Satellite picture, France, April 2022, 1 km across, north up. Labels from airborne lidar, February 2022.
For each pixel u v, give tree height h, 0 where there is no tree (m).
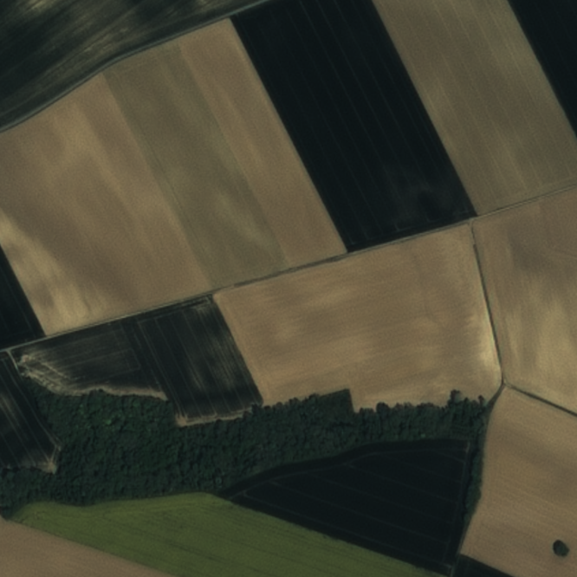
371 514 0
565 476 0
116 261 0
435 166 0
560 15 0
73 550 0
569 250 0
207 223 0
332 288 0
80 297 0
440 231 0
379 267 0
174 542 0
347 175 0
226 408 0
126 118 0
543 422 0
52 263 0
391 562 0
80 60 0
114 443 29
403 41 0
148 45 0
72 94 0
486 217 0
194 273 0
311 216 0
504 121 0
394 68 0
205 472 23
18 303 0
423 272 0
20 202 0
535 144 0
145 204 0
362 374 0
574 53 0
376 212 0
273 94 0
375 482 0
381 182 0
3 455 0
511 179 0
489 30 0
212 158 0
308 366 0
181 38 0
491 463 0
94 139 0
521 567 0
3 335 0
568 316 0
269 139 0
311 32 0
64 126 0
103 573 0
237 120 0
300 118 0
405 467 0
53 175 0
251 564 0
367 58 0
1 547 0
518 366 0
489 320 0
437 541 0
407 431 19
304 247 0
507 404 0
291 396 0
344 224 0
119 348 0
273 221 0
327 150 0
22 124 0
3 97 0
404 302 0
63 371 0
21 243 0
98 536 0
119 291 0
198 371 0
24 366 0
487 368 0
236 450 16
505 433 0
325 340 0
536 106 0
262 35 0
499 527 0
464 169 0
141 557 0
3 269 0
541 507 0
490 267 0
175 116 0
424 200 0
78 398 6
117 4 0
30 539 0
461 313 0
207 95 0
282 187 0
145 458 25
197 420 0
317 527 0
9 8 0
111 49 0
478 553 0
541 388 0
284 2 0
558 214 0
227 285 0
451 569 0
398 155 0
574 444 0
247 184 0
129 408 17
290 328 0
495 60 0
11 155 0
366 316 0
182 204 0
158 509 0
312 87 0
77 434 16
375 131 0
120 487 26
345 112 0
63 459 8
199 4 0
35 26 0
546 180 0
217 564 0
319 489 0
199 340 0
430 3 0
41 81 0
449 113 0
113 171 0
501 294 0
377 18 0
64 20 0
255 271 0
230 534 0
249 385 0
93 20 0
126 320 0
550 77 0
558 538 0
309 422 26
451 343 0
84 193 0
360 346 0
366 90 0
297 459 13
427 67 0
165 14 0
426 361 0
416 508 0
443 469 0
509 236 0
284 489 0
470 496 19
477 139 0
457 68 0
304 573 0
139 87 0
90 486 22
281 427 25
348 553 0
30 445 0
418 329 0
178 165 0
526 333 0
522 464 0
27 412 0
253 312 0
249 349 0
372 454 0
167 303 0
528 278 0
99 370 0
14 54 0
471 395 0
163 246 0
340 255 0
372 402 0
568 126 0
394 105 0
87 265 0
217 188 0
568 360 0
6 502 21
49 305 0
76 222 0
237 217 0
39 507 0
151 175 0
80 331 0
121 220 0
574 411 0
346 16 0
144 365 0
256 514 0
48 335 0
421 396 0
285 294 0
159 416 13
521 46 0
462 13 0
